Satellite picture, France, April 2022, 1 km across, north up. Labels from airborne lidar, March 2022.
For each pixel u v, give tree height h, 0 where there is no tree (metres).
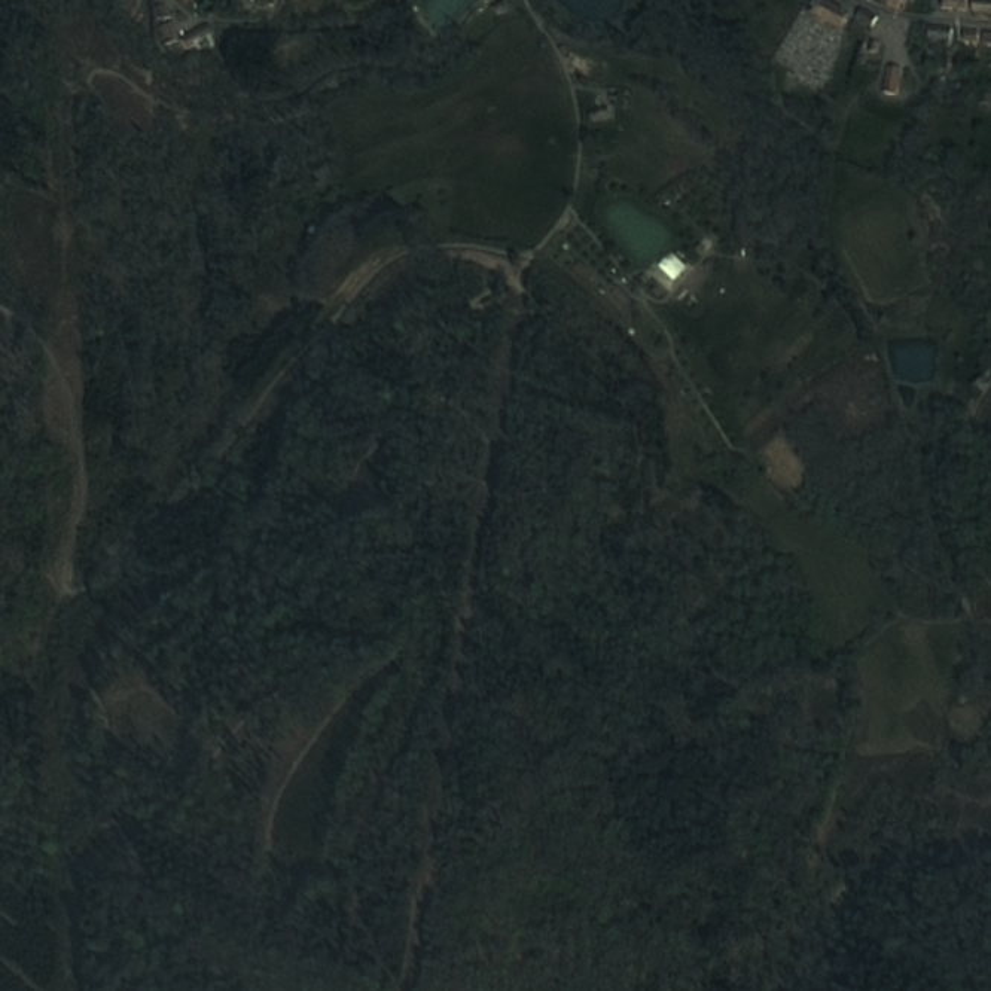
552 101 0
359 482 0
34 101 7
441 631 22
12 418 11
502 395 0
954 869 26
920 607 0
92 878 25
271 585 35
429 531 22
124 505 8
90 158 12
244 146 27
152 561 28
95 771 8
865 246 0
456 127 0
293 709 32
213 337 27
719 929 12
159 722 0
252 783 18
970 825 0
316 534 26
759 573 20
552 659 24
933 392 0
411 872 19
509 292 20
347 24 25
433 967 28
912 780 0
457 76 7
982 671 22
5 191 23
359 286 0
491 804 18
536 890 23
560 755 22
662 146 0
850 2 0
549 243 0
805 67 0
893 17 0
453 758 10
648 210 0
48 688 6
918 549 22
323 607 32
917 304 0
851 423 0
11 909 20
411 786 20
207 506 19
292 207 7
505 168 0
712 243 0
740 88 27
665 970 29
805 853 30
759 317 0
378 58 21
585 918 32
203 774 34
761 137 21
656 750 26
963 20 0
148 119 0
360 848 9
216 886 32
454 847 16
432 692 7
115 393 9
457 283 11
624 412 7
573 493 32
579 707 23
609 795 32
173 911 35
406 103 0
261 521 32
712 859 30
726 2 26
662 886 27
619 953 35
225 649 28
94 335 19
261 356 21
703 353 0
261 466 12
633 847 23
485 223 0
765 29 0
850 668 24
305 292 32
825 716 0
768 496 0
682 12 22
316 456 30
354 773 25
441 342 7
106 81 0
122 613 0
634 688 25
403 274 0
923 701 0
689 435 0
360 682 28
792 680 36
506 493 30
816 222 24
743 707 33
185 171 20
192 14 0
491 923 30
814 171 23
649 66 0
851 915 27
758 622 28
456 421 13
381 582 35
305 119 27
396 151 0
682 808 23
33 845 26
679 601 30
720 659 25
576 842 25
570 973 28
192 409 29
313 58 0
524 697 23
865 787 0
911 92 0
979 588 20
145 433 29
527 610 30
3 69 19
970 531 23
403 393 17
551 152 0
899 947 38
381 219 29
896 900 29
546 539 36
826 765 22
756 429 0
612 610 29
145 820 33
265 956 27
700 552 28
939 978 29
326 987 28
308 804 0
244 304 30
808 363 0
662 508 0
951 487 22
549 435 23
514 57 0
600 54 0
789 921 31
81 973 8
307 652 31
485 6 0
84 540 7
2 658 34
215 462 23
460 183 0
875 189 0
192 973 25
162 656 35
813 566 0
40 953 18
